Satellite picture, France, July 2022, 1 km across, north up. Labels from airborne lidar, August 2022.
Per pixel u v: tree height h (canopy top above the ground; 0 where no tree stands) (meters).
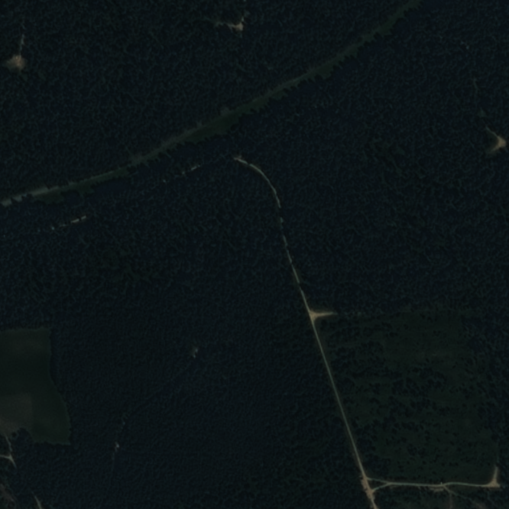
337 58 0
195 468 24
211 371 35
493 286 7
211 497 18
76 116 40
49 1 35
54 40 10
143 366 22
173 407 24
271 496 15
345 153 34
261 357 18
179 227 13
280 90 0
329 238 13
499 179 25
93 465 28
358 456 0
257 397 24
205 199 32
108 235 35
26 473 23
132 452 26
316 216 33
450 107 39
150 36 35
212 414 29
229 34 38
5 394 0
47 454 23
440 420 0
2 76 31
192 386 35
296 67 25
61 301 11
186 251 14
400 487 7
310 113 34
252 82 37
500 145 0
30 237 32
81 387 25
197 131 0
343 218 33
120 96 9
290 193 37
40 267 13
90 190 0
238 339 30
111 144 30
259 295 30
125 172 0
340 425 18
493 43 38
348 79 37
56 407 0
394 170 41
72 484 26
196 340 34
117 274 18
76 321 26
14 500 26
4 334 0
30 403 0
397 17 0
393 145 42
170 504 17
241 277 36
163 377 22
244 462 22
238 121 0
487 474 0
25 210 25
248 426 22
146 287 25
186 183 30
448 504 0
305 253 34
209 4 22
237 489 9
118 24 18
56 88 36
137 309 29
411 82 37
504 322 35
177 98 38
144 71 36
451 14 39
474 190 36
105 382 23
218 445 20
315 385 17
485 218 8
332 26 34
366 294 27
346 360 9
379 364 10
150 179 33
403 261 41
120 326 23
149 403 24
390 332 7
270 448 22
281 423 21
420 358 0
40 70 13
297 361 14
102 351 20
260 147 31
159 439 24
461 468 0
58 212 35
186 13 15
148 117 30
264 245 37
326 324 15
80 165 26
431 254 39
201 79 34
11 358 0
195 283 30
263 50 17
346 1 36
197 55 35
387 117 38
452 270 38
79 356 24
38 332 0
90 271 20
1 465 10
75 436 16
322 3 37
